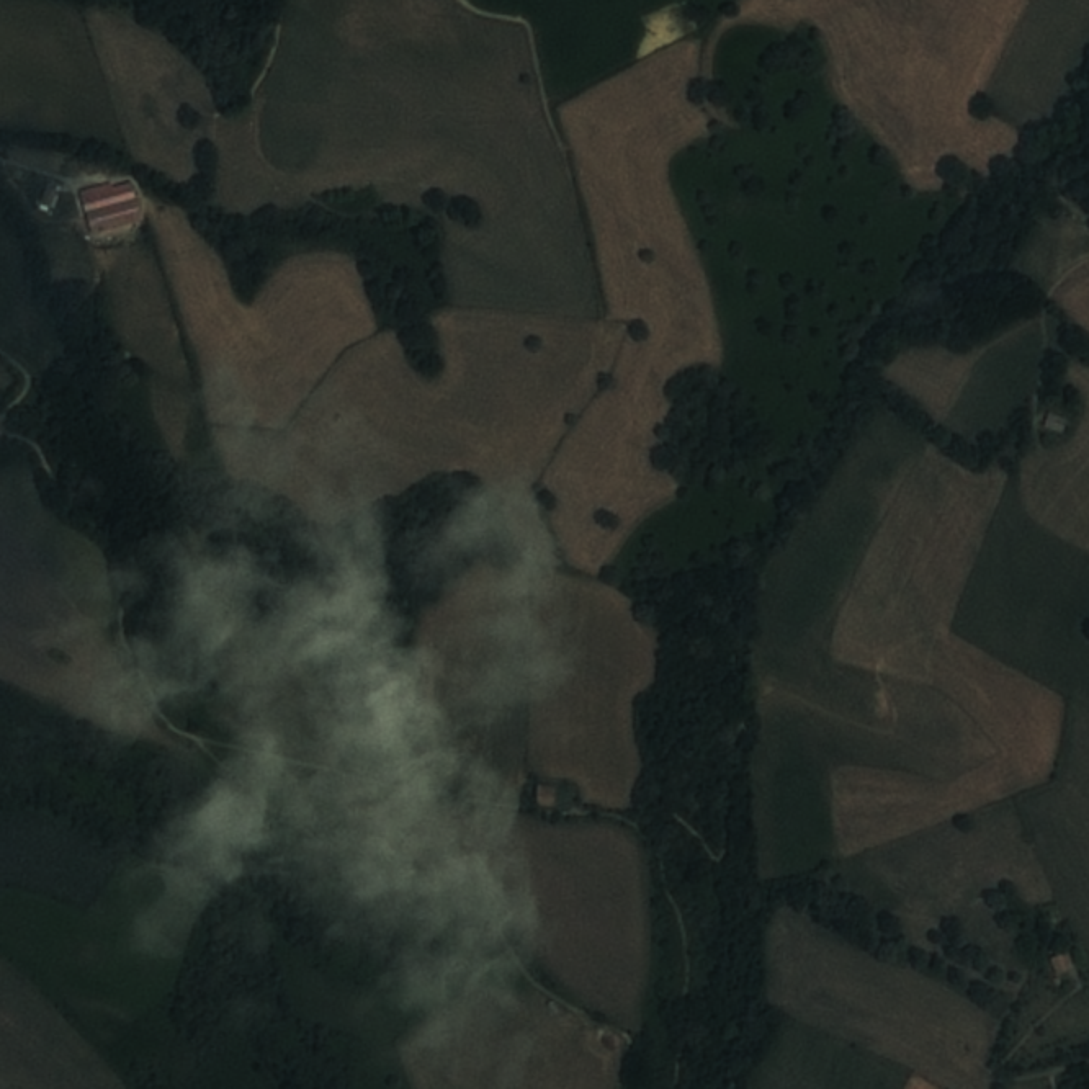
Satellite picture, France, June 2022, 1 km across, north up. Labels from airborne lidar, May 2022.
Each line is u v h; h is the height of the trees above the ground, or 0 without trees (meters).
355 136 0
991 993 15
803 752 0
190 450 0
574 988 0
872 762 0
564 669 0
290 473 0
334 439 0
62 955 0
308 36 0
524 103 0
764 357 0
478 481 8
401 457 0
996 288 33
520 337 0
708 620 22
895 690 0
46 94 0
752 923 12
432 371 8
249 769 0
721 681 17
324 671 11
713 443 20
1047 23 0
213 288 0
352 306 0
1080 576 0
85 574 0
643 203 0
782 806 0
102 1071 0
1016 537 0
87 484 21
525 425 0
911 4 0
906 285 8
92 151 14
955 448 20
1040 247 0
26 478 0
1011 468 20
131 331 0
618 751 0
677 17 0
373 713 18
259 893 9
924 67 0
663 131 0
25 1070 0
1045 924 10
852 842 0
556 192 0
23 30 0
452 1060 0
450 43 0
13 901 0
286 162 0
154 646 12
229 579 11
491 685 0
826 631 0
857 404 14
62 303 16
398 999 0
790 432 0
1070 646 0
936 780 0
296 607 27
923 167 0
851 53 0
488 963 0
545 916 0
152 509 28
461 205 16
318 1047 9
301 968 0
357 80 0
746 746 12
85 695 0
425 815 0
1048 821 0
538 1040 0
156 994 0
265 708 0
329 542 11
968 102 0
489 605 0
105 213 0
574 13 0
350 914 6
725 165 0
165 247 0
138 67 0
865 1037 0
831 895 15
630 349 0
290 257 0
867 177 0
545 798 0
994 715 0
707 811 16
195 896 0
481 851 0
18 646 0
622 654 0
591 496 0
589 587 0
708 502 0
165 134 0
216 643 0
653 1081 7
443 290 14
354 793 0
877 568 0
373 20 0
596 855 0
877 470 0
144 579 24
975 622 0
